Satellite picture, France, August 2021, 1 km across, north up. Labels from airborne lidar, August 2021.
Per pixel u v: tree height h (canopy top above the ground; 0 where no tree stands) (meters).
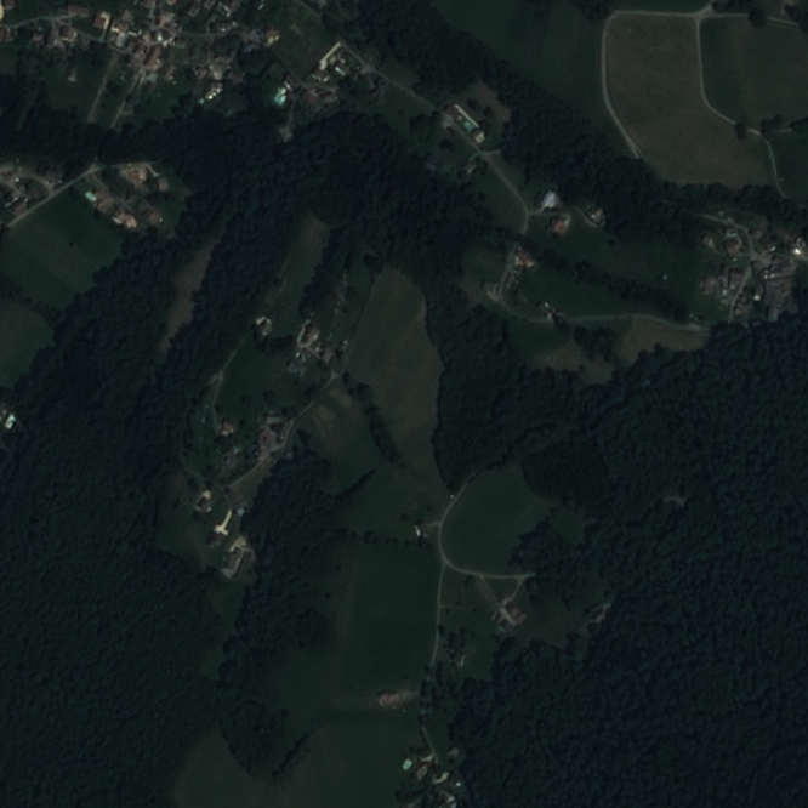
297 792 0
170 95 0
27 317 0
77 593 21
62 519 26
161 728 24
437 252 23
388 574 0
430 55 28
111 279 28
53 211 0
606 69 0
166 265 27
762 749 26
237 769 0
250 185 26
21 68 7
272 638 23
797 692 23
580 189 24
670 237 23
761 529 26
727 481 22
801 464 22
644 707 23
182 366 25
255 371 0
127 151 21
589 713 22
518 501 0
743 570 27
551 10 10
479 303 0
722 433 25
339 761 0
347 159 21
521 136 21
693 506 15
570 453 10
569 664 20
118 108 0
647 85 0
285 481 25
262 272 21
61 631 21
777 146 0
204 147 22
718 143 0
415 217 22
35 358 0
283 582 23
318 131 19
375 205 26
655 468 23
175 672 25
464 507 0
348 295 9
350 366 0
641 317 0
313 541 19
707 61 0
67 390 11
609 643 11
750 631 27
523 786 20
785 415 24
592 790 24
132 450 22
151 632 23
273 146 13
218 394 0
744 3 11
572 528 0
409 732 0
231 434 7
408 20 20
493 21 0
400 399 0
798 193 0
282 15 0
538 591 17
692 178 0
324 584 0
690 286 0
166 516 13
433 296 13
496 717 24
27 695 28
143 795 21
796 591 26
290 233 26
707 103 0
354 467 0
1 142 17
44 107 16
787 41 0
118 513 25
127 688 25
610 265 0
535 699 25
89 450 23
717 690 26
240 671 22
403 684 0
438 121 8
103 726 27
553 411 16
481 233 19
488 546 0
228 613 0
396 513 0
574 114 16
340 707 0
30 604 21
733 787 26
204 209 25
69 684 20
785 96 0
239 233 23
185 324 0
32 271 0
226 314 21
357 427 0
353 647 0
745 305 0
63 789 25
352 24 13
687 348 0
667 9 0
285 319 0
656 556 20
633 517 17
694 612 19
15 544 23
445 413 13
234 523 0
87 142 19
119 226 11
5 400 14
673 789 26
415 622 0
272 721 19
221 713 25
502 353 29
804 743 21
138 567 22
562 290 0
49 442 21
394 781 0
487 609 0
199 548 0
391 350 0
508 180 0
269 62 6
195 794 0
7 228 16
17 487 26
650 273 0
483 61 13
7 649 25
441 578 0
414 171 19
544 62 0
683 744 29
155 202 9
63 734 23
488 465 16
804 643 28
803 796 17
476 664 0
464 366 23
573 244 0
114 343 28
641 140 0
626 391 15
